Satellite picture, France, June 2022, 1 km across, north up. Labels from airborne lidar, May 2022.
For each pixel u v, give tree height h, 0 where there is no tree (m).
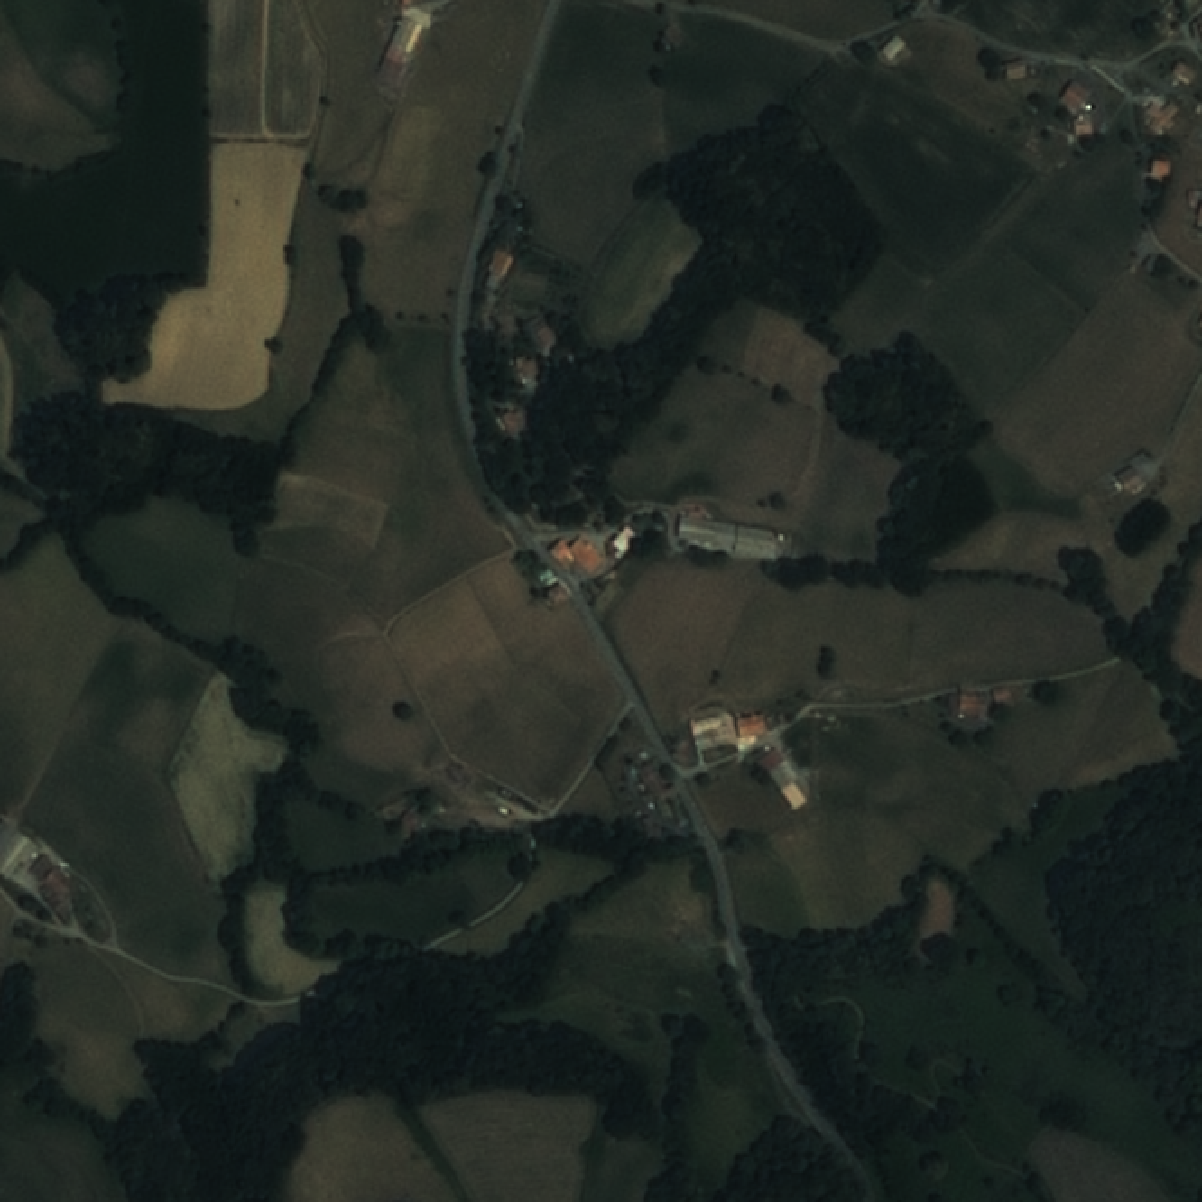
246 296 0
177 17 0
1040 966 9
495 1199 0
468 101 0
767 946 15
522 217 7
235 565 0
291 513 0
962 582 8
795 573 21
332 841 0
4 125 0
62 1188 0
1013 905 0
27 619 0
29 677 0
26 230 0
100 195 0
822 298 22
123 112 12
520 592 0
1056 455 0
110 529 0
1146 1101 0
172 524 0
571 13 0
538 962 19
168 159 0
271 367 0
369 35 0
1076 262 0
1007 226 0
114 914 0
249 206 0
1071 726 0
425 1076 25
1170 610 20
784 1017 13
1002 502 0
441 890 0
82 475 26
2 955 0
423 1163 0
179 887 0
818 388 0
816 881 0
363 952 18
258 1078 23
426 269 0
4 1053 22
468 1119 0
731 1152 0
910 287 0
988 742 10
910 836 0
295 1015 0
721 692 0
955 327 0
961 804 0
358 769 0
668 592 0
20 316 0
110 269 0
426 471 0
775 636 0
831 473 0
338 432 0
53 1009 0
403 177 0
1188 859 16
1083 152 8
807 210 22
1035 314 0
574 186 0
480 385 17
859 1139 16
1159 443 0
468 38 0
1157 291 0
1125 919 15
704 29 0
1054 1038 0
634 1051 0
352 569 0
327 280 0
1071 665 0
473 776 0
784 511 6
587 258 0
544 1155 0
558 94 0
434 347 0
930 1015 0
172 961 0
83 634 0
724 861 0
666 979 0
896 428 19
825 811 0
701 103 0
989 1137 0
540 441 18
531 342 8
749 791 0
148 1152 27
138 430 22
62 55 0
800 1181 12
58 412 22
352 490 0
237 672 19
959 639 0
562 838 31
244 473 11
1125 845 24
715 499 0
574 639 0
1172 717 21
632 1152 0
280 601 0
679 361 25
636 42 0
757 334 0
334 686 0
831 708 0
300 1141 17
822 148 15
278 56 0
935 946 19
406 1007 14
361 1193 0
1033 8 0
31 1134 0
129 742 0
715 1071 0
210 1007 0
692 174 26
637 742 0
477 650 0
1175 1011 17
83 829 0
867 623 0
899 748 0
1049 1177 0
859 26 0
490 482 16
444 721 0
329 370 14
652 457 0
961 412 19
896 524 18
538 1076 18
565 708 0
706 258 14
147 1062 20
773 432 0
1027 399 0
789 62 0
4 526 0
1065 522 0
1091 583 20
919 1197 0
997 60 10
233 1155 24
